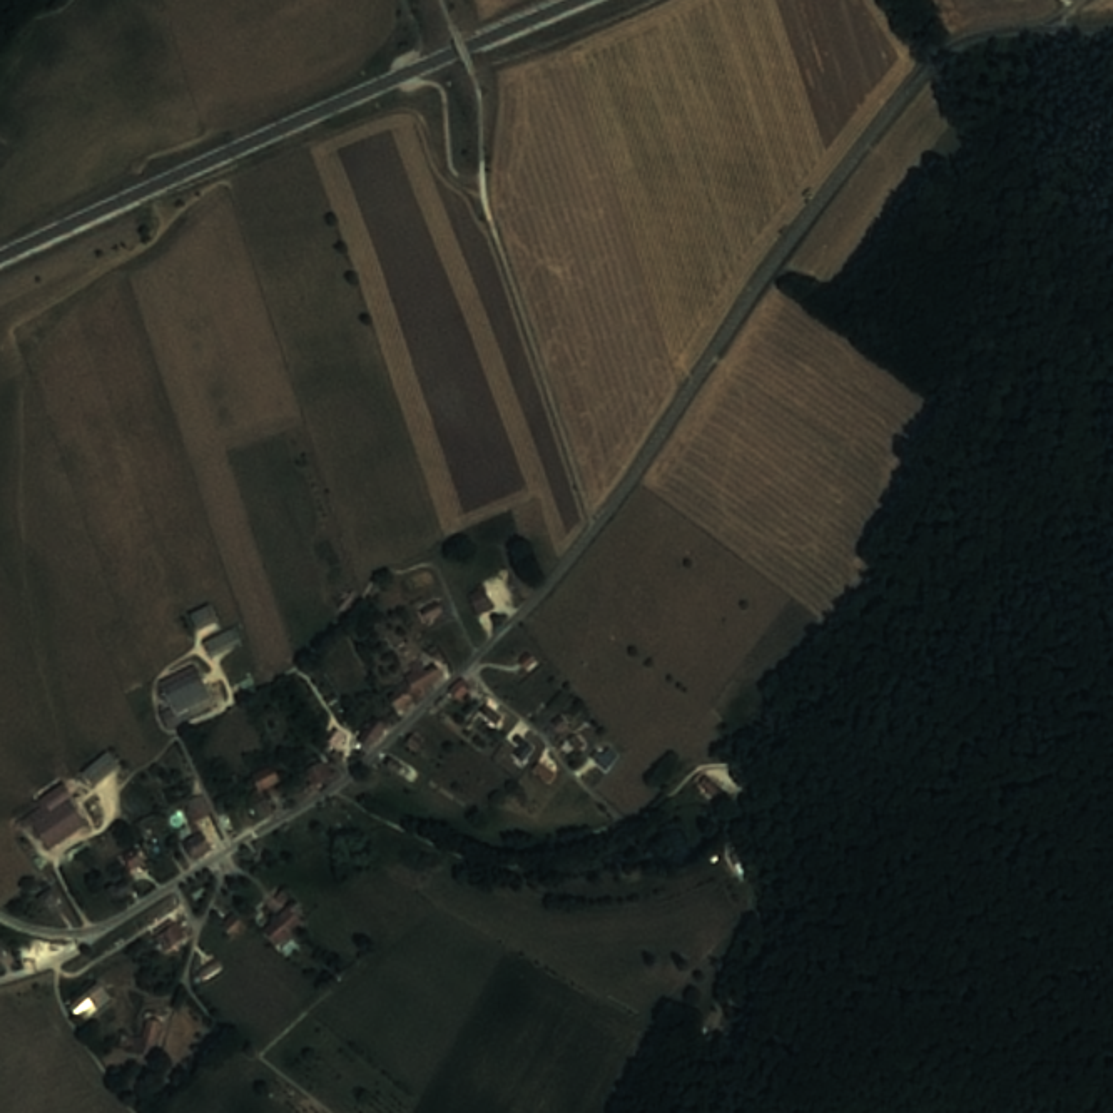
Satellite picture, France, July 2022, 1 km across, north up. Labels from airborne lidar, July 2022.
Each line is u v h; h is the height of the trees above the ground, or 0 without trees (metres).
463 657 0
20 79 0
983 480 28
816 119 0
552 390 0
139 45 0
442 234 0
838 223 0
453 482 0
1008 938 28
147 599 0
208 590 0
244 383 0
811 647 16
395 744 0
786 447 0
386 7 0
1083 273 26
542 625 0
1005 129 21
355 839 22
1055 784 30
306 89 0
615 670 0
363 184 0
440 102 0
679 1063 17
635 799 0
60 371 0
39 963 0
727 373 0
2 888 0
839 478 0
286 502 0
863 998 29
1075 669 26
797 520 0
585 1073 0
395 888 0
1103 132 21
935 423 28
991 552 25
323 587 0
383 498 0
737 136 0
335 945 0
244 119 0
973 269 20
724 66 0
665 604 0
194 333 0
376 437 0
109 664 0
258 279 0
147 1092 18
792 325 0
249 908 11
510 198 0
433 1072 0
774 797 26
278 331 0
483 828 13
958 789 25
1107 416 26
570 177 0
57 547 0
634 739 0
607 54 0
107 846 0
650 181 0
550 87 0
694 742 0
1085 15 0
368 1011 0
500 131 0
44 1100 0
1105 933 25
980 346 28
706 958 0
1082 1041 26
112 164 0
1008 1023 26
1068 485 27
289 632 0
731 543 0
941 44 24
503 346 0
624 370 0
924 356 20
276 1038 0
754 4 0
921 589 9
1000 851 29
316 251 0
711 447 0
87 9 0
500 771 0
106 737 0
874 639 23
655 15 0
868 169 0
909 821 26
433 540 0
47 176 0
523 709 0
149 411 0
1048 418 30
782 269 0
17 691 0
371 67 0
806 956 25
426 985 0
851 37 0
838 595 0
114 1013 0
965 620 23
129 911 0
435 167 0
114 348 0
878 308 22
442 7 0
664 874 16
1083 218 30
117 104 0
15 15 30
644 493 0
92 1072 0
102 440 0
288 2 0
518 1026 0
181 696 0
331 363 0
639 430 0
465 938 0
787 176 0
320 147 0
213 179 0
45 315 0
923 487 32
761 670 0
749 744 18
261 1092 13
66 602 0
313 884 0
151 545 0
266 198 0
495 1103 0
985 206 26
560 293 0
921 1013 30
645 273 0
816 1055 27
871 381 0
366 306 0
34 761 0
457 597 0
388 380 0
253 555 0
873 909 29
